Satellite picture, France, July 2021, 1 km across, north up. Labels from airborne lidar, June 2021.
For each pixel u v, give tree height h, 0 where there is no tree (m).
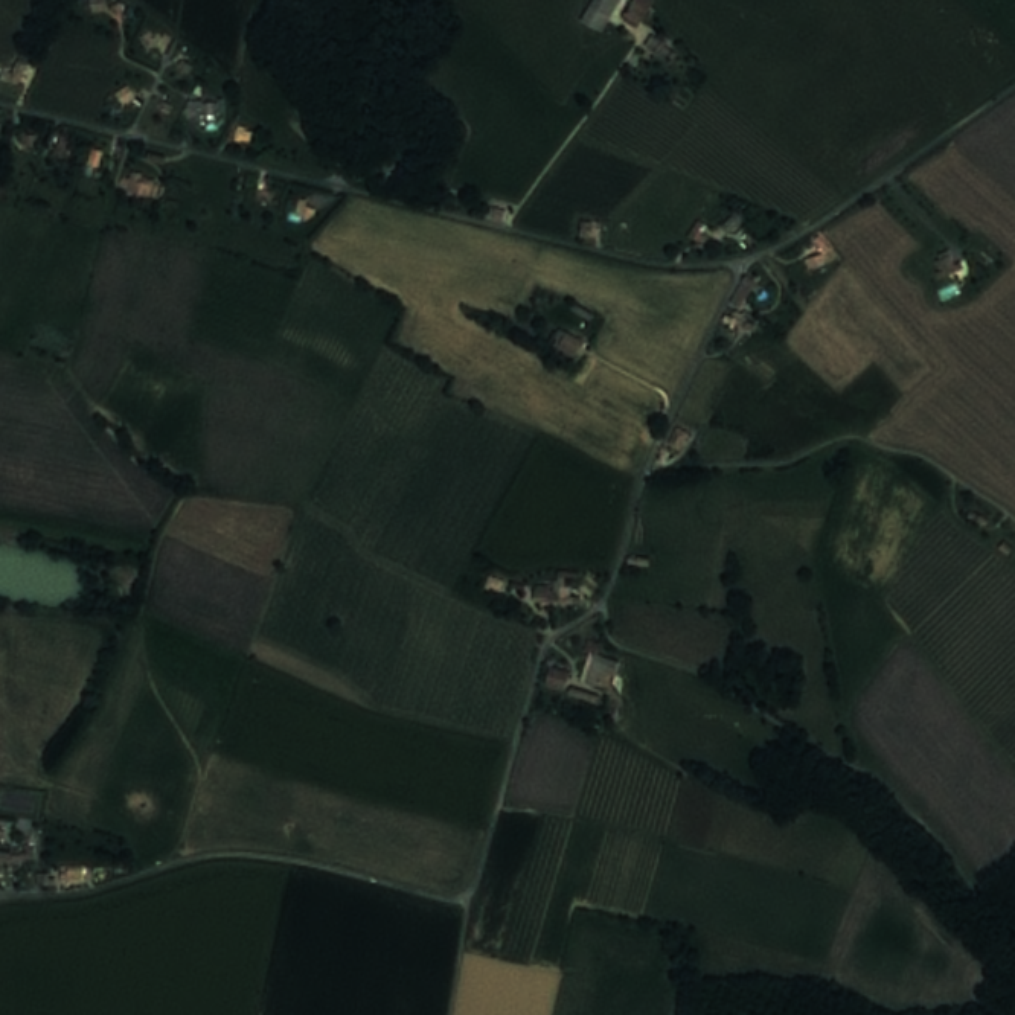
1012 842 0
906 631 0
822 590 0
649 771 0
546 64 0
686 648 0
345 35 21
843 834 0
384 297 13
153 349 0
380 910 0
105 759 0
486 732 0
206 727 0
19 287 0
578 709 8
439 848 0
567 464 0
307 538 0
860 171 0
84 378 0
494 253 0
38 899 0
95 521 0
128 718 0
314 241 0
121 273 0
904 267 0
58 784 0
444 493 0
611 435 0
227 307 0
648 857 0
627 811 0
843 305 0
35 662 0
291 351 0
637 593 0
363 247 0
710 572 0
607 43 0
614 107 0
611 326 0
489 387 0
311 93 24
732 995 11
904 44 0
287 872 0
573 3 0
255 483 0
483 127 0
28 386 0
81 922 0
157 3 0
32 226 0
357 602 0
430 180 24
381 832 0
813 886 0
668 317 0
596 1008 0
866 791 22
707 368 0
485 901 0
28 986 0
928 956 0
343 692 0
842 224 0
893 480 0
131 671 0
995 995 17
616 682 0
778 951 0
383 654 0
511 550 0
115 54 0
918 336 0
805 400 0
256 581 0
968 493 8
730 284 0
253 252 0
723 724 0
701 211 0
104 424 13
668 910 0
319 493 0
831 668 14
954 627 0
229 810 0
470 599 0
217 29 0
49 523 0
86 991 0
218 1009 0
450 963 0
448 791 0
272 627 0
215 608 0
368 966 0
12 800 0
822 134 0
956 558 0
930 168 0
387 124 23
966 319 0
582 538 0
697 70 6
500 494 0
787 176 0
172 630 0
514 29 0
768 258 0
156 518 0
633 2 0
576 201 0
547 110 0
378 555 0
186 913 0
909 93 0
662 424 18
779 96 0
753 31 0
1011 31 0
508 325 14
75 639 0
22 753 0
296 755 0
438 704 0
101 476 0
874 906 0
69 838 0
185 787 0
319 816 0
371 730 0
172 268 0
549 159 0
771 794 18
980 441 0
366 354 0
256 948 0
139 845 0
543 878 0
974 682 0
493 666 0
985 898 22
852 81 0
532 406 0
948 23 0
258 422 0
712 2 0
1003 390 0
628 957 0
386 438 0
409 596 0
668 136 0
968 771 0
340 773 0
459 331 0
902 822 23
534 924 0
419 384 0
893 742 0
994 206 0
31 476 0
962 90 0
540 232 0
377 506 0
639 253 0
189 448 0
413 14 21
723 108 0
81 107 0
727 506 0
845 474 25
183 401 0
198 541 0
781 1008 13
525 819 0
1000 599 0
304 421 0
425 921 0
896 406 0
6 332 0
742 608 19
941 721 0
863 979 0
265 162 0
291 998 0
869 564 0
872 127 0
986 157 0
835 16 0
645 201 0
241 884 0
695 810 0
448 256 0
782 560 0
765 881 0
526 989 0
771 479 0
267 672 0
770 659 21
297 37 26
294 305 0
